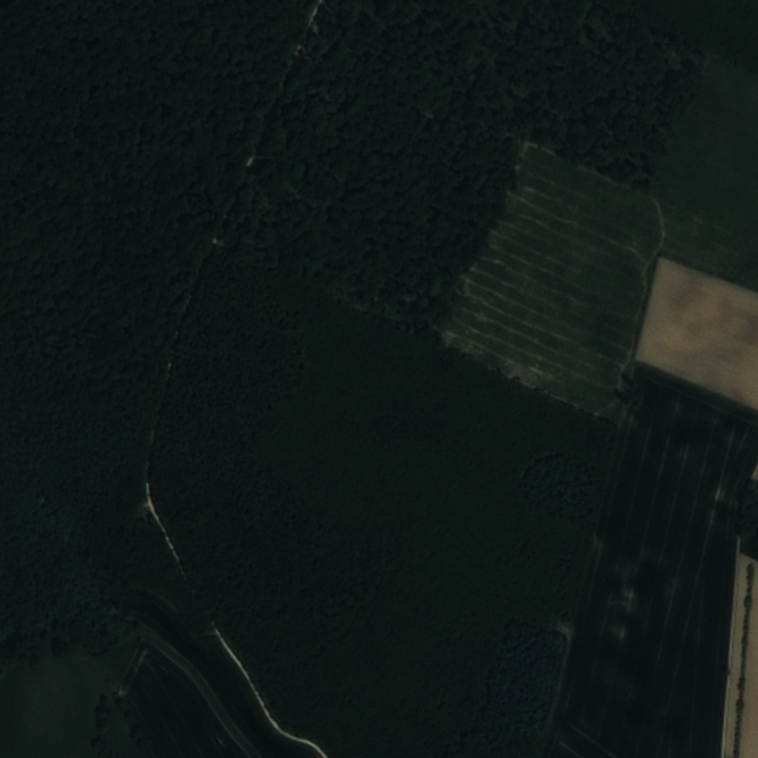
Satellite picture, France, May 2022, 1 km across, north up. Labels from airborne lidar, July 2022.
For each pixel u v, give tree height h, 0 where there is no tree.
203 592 18
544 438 12
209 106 25
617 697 0
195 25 30
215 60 31
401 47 27
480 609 12
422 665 11
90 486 16
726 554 0
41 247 29
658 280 0
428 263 27
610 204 0
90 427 16
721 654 0
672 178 0
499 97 24
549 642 24
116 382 23
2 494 18
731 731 0
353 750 12
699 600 0
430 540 11
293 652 10
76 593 21
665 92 29
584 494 19
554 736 0
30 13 33
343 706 13
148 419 14
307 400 13
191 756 0
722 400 0
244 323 17
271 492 16
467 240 25
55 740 0
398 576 12
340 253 30
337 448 12
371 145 25
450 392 13
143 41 30
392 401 13
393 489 12
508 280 0
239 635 9
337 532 13
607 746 0
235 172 33
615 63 28
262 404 15
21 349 19
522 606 12
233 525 15
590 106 30
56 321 27
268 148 29
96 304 25
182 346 17
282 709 11
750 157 0
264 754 0
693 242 0
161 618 0
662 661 0
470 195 32
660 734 0
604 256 0
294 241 28
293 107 22
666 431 0
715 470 0
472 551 13
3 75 30
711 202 0
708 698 0
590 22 25
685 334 0
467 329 0
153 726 0
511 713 25
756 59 11
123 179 29
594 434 15
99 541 17
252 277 17
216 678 0
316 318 13
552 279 0
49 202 29
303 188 23
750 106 0
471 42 26
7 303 29
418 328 23
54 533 27
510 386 12
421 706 11
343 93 27
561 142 21
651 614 0
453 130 31
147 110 33
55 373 14
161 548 14
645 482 0
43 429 16
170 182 32
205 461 14
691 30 10
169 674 0
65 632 26
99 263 24
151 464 13
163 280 29
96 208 30
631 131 24
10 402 10
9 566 24
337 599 16
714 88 0
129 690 0
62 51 30
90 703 0
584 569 13
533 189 0
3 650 33
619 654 0
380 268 29
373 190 31
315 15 0
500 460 16
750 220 0
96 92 31
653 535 0
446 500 10
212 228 29
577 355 0
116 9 31
